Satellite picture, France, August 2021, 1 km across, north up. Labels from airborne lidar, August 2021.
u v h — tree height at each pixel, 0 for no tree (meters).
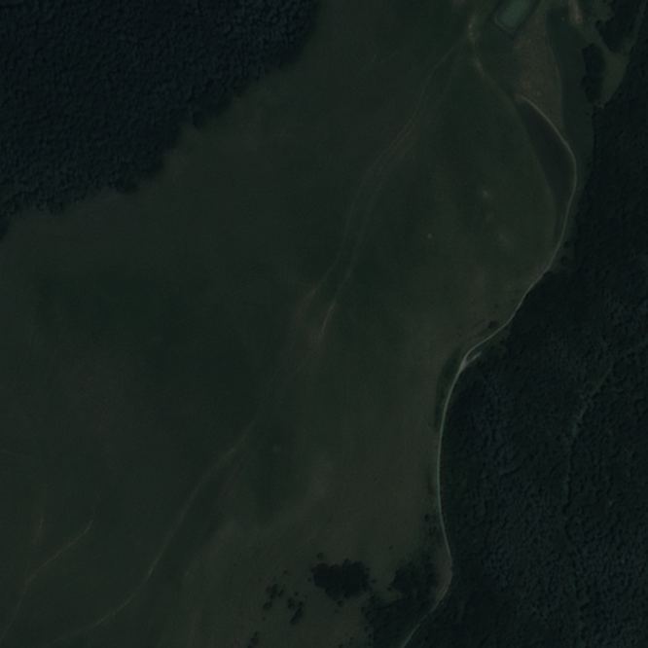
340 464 0
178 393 0
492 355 9
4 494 0
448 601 6
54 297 0
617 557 18
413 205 0
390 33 0
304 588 0
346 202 0
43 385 0
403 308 0
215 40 20
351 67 0
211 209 0
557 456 21
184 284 0
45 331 0
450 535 8
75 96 19
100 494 0
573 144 0
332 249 0
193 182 0
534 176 0
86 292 0
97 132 22
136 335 0
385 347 0
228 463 0
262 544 0
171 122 11
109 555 0
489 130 0
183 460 0
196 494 0
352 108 0
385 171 0
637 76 8
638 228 23
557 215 0
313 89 0
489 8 0
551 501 18
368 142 0
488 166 0
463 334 0
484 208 0
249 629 0
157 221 0
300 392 0
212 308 0
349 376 0
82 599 0
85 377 0
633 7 16
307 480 0
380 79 0
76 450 0
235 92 16
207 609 0
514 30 0
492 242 0
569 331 24
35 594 0
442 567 0
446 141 0
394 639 6
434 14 0
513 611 20
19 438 0
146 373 0
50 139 17
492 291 0
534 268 0
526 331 18
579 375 19
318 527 0
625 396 25
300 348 0
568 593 26
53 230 0
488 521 14
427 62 0
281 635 0
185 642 0
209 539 0
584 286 18
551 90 0
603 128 16
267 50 20
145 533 0
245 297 0
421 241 0
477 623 18
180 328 0
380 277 0
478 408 20
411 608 15
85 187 9
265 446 0
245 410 0
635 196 21
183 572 0
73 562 0
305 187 0
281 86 0
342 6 0
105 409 0
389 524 0
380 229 0
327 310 0
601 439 23
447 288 0
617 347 20
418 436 0
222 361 0
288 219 0
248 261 0
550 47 0
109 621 0
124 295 0
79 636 0
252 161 0
